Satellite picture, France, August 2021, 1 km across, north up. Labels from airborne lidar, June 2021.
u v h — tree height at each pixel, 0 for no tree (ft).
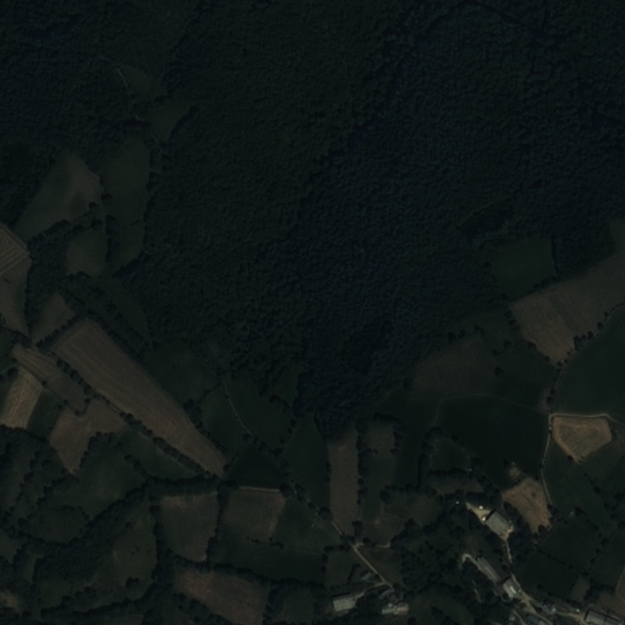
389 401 0
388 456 0
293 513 0
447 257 56
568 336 0
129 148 0
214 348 0
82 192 0
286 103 67
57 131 44
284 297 69
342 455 0
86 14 63
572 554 0
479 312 54
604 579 0
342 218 62
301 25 63
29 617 61
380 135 65
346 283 87
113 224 65
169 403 0
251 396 0
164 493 81
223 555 0
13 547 0
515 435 0
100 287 0
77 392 0
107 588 0
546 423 0
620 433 0
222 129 65
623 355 0
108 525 69
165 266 71
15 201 23
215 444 21
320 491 0
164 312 60
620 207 68
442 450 0
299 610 0
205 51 59
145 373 0
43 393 0
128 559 0
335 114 88
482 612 48
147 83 0
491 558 0
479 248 52
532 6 87
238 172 67
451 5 40
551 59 72
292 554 0
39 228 0
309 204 75
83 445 0
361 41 98
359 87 81
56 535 0
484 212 19
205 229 64
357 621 78
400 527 0
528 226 46
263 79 65
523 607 30
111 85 25
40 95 74
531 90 84
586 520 49
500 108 74
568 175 35
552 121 76
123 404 0
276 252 84
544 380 0
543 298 0
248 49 66
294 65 69
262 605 0
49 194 0
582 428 0
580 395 0
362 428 59
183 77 54
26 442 60
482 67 69
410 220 78
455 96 57
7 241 0
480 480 31
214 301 60
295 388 0
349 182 71
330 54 55
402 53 62
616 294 0
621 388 0
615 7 70
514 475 0
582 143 73
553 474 0
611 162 68
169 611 0
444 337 60
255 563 0
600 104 101
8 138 64
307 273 74
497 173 67
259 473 0
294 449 0
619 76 65
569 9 81
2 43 80
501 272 0
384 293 75
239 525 0
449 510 48
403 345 70
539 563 0
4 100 76
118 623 0
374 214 70
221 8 73
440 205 60
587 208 59
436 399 0
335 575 0
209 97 79
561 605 0
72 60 53
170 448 41
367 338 36
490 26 59
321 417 85
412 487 35
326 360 75
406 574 45
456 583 0
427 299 63
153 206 64
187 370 0
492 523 0
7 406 0
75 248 0
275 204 76
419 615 0
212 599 0
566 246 74
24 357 0
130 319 0
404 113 64
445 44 65
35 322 30
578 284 0
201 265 63
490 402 0
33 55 87
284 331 53
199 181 62
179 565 47
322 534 0
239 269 88
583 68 80
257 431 0
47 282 63
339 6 67
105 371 0
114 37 19
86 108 39
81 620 84
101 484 0
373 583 0
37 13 27
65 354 0
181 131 46
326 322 78
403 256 70
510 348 40
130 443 0
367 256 66
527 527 50
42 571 72
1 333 40
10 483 0
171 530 0
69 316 0
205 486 62
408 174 76
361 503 27
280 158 78
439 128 47
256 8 80
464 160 59
